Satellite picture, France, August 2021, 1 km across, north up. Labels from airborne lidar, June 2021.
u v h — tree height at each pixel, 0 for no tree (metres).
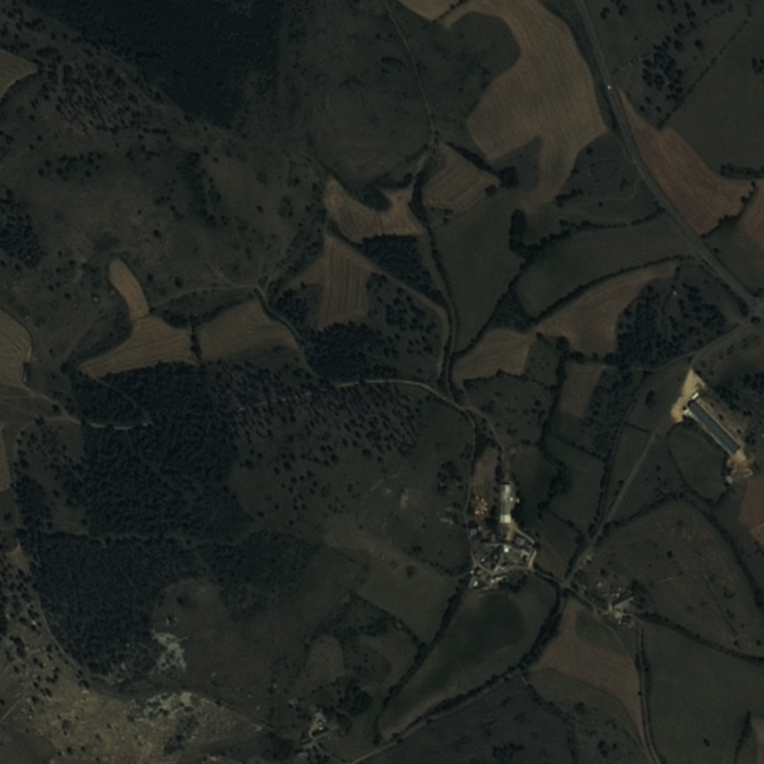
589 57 0
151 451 13
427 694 0
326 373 15
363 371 13
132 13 5
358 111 0
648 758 0
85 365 0
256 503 0
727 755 0
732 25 0
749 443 8
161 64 14
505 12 0
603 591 0
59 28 0
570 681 0
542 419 6
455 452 0
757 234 0
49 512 7
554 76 0
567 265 0
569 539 0
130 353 0
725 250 0
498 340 0
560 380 8
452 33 0
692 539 0
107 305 0
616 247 0
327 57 0
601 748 8
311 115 0
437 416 0
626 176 0
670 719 0
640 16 0
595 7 0
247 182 0
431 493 0
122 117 12
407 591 0
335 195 0
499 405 0
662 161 0
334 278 0
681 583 0
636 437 0
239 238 0
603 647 0
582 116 0
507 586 6
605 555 0
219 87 12
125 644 6
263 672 0
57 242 0
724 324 12
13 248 10
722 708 0
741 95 0
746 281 0
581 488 0
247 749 0
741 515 0
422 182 8
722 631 0
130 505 9
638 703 0
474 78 0
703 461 0
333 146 0
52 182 0
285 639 0
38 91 0
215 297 0
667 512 0
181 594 0
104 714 0
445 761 0
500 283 0
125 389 11
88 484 9
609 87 0
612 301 0
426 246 0
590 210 0
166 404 12
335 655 0
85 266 7
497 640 0
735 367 0
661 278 0
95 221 0
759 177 6
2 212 11
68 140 0
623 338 10
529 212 0
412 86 0
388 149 0
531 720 0
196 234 0
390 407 16
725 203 0
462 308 0
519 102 0
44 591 10
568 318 0
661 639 0
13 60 0
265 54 6
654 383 0
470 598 0
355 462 0
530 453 0
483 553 0
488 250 0
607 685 0
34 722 0
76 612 13
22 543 9
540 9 0
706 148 0
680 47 14
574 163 0
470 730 0
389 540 0
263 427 12
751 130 0
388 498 0
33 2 6
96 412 14
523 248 12
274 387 12
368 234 0
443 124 0
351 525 0
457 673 0
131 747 0
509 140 0
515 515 13
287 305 13
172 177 0
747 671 0
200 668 0
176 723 0
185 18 6
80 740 0
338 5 0
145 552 10
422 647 12
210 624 0
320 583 0
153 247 0
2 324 0
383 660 0
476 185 0
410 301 9
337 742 0
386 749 0
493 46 0
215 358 0
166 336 0
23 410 0
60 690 0
